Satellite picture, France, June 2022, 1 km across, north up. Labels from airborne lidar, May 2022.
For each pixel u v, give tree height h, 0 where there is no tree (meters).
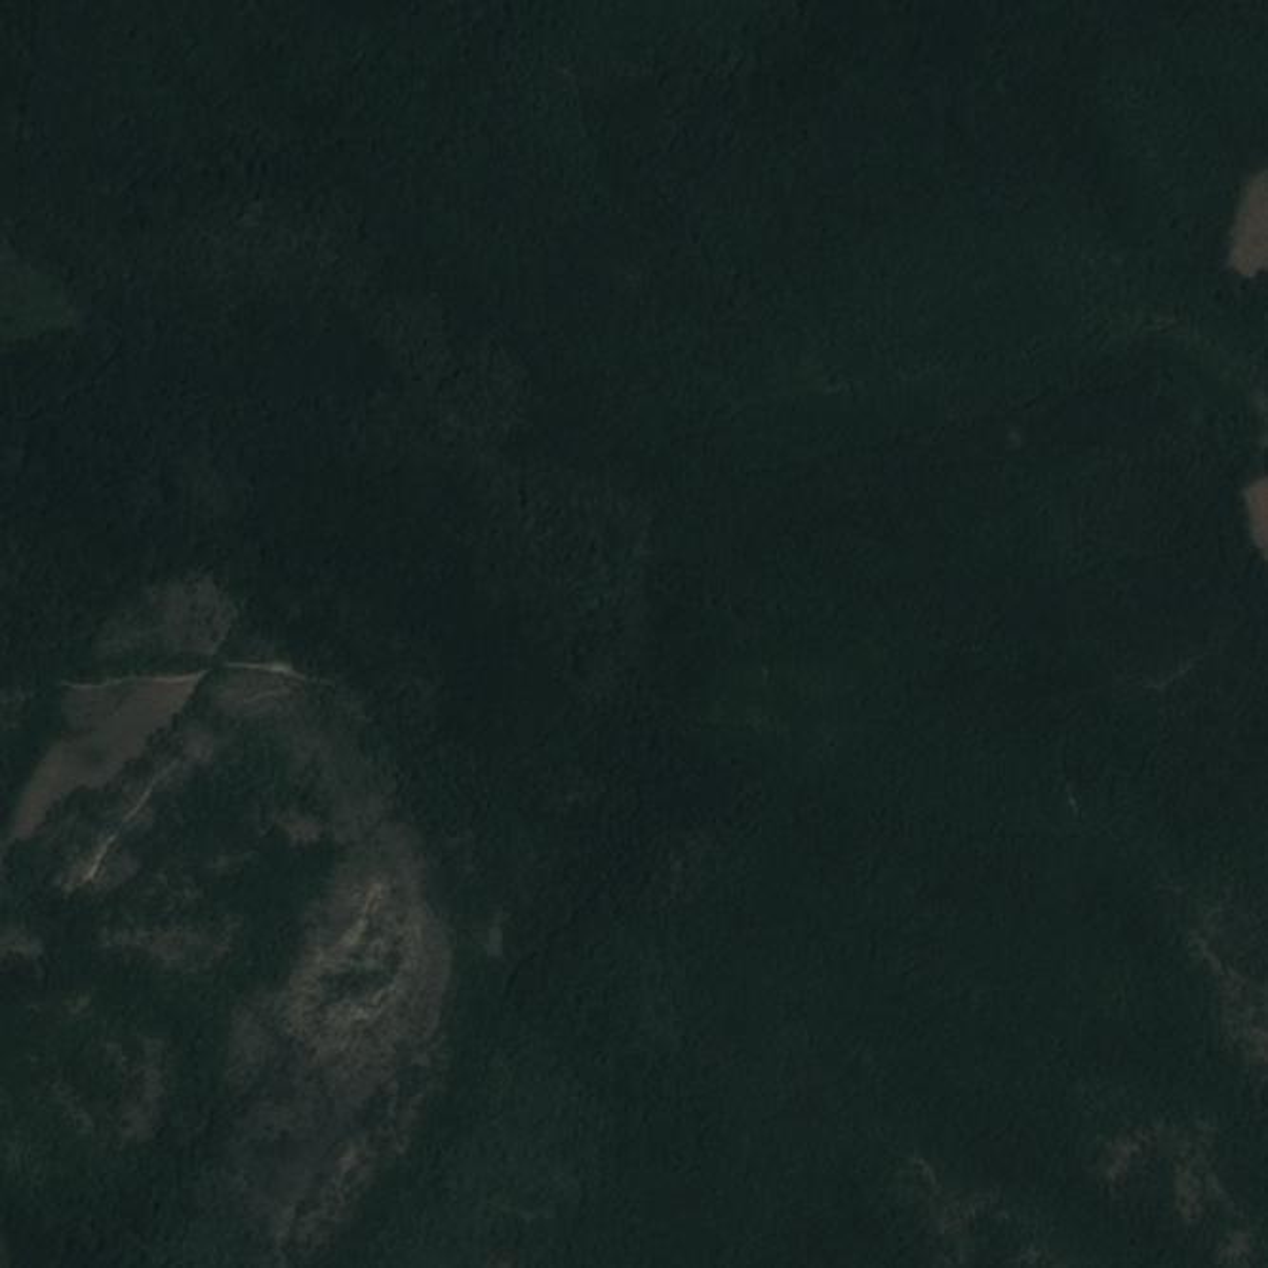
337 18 19
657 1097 14
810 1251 9
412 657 12
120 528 12
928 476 15
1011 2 14
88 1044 10
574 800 18
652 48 13
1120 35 11
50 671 11
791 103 12
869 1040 16
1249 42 8
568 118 10
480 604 8
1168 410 13
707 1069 8
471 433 22
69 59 17
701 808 21
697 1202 15
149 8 14
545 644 13
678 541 17
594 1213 10
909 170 18
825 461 9
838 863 12
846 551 13
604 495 15
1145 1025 13
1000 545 14
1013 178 14
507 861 7
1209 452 6
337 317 17
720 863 15
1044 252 10
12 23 14
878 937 18
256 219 20
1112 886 12
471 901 9
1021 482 12
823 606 17
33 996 7
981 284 14
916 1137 13
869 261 12
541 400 16
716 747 16
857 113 12
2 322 0
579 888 16
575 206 16
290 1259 8
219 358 16
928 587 14
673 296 14
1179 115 12
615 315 15
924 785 6
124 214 12
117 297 17
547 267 16
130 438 13
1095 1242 10
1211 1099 10
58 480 17
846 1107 11
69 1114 6
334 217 20
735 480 13
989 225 13
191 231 15
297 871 7
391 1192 10
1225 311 16
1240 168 11
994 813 8
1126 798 12
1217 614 11
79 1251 20
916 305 10
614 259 15
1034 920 13
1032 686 7
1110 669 11
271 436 15
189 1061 13
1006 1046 11
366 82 8
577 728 15
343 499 7
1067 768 7
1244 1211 7
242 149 20
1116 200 8
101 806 6
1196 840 13
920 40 11
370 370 19
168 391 15
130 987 11
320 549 8
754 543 16
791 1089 7
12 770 13
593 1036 15
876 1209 14
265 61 10
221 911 9
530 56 8
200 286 15
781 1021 10
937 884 14
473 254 13
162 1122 7
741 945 12
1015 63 17
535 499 17
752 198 15
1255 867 8
